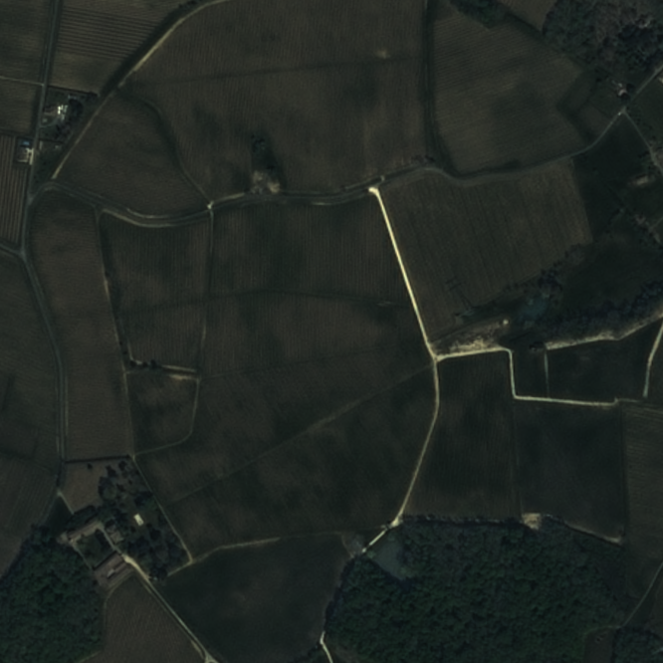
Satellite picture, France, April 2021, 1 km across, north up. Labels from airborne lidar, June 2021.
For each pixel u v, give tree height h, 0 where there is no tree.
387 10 0
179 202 0
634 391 0
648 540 0
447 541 20
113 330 0
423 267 0
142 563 12
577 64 0
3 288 0
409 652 33
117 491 22
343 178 0
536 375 0
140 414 0
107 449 0
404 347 0
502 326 0
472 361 0
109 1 0
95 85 0
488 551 21
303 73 0
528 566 32
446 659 22
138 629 0
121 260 0
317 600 0
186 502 0
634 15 17
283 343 0
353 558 0
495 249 0
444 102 0
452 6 12
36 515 0
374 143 0
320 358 0
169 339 0
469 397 0
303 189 0
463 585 21
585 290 0
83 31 0
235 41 0
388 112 0
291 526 0
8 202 0
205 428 0
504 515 0
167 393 0
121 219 0
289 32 0
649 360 0
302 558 0
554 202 0
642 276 0
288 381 0
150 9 0
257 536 0
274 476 0
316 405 0
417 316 0
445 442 0
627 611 9
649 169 6
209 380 0
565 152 0
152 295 0
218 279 0
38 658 20
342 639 22
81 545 11
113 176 0
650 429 0
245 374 0
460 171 0
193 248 0
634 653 17
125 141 0
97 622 19
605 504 0
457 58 0
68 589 21
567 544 18
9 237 0
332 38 0
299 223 0
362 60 0
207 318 0
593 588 23
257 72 0
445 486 0
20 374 0
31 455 0
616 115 0
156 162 0
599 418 0
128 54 0
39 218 0
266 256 0
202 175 0
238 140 0
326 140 0
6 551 0
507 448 0
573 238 0
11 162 0
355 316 0
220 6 0
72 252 0
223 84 0
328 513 0
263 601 0
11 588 19
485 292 0
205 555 0
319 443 0
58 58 0
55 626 25
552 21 16
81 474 0
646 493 0
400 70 0
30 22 0
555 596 23
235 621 0
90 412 0
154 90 0
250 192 11
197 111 0
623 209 11
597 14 12
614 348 0
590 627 17
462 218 0
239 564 0
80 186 0
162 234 0
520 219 0
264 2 0
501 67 0
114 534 0
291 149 0
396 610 27
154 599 0
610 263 0
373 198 0
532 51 0
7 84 0
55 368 0
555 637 23
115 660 0
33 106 0
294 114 0
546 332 15
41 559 23
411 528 22
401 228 0
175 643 0
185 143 0
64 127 8
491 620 18
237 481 0
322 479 0
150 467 0
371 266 0
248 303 0
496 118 0
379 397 0
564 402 0
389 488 0
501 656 25
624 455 0
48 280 0
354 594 25
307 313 0
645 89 0
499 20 16
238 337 0
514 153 0
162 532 11
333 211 0
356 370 0
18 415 0
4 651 17
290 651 0
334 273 0
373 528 0
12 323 0
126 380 0
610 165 0
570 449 0
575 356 0
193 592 0
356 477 0
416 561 25
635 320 12
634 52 14
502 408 0
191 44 0
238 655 0
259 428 0
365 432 0
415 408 0
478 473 0
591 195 0
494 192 0
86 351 0
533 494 0
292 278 0
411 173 0
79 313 0
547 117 0
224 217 0
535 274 0
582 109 0
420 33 0
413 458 0
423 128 0
